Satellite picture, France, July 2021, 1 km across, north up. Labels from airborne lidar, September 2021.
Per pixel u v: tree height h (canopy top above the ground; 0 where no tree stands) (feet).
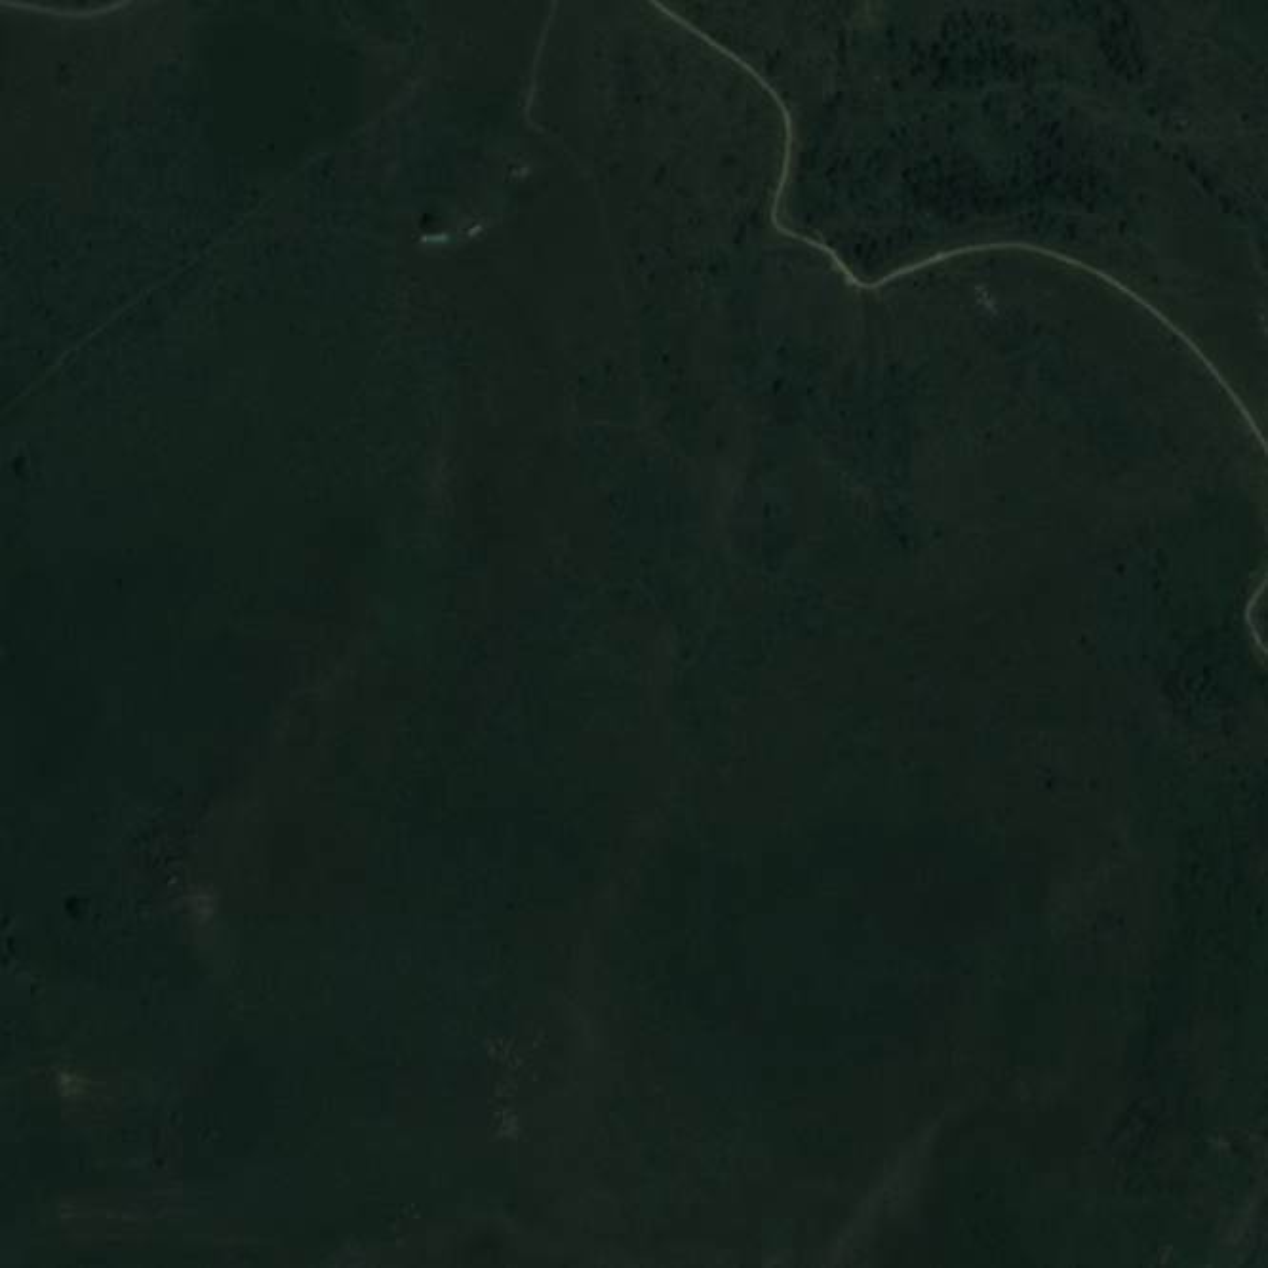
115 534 0
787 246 0
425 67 0
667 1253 0
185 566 0
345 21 0
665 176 20
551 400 0
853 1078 0
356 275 0
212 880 0
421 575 0
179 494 0
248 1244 0
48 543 0
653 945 0
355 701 0
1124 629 0
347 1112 0
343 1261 0
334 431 0
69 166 0
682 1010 0
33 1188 0
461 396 0
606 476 0
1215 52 0
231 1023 0
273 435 0
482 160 0
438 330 0
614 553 0
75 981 0
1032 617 0
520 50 0
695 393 0
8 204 0
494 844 0
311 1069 0
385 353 0
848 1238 0
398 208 0
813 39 0
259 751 0
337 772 0
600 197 0
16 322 0
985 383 0
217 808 0
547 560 0
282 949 0
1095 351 0
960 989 0
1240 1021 0
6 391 0
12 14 0
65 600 0
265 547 0
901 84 40
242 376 0
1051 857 0
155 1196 0
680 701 0
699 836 0
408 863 0
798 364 0
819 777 0
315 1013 0
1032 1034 0
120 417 0
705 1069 0
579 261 0
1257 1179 0
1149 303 0
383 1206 0
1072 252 0
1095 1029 0
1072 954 0
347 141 0
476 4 0
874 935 0
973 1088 0
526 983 0
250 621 0
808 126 0
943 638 0
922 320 0
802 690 0
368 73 0
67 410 0
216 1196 0
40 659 0
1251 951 0
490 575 0
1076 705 0
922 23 0
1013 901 0
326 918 0
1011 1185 0
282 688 0
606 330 0
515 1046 0
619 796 0
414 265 0
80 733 0
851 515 0
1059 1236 0
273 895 0
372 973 0
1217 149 0
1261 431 0
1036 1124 0
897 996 0
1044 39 0
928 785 0
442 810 0
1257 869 0
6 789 0
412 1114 0
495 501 0
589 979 0
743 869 0
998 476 0
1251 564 0
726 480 0
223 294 0
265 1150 0
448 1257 0
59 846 0
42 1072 0
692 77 0
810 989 0
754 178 0
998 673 0
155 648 0
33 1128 0
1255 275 0
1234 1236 0
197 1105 0
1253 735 0
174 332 0
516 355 0
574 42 0
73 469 0
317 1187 0
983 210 30
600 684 0
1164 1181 0
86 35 0
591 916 0
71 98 0
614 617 0
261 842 0
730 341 0
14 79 0
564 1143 0
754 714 0
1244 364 0
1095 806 0
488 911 0
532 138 0
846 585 0
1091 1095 0
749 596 0
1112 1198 0
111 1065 0
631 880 0
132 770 0
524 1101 0
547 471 0
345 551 0
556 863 0
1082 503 0
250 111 0
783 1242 0
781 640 0
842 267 0
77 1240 0
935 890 0
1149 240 0
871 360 0
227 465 0
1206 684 34
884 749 0
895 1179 0
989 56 31
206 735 0
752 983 0
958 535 0
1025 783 0
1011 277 0
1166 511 0
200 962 0
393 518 0
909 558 0
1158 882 0
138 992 0
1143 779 0
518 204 0
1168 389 0
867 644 0
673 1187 0
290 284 0
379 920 0
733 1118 0
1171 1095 0
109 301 0
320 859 0
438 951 0
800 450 0
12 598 0
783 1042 0
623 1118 0
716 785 0
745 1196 0
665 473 0
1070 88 0
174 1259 0
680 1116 0
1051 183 39
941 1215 0
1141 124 0
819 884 0
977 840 0
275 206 0
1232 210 36
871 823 0
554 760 0
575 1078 0
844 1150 0
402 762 0
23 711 0
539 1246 0
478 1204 0
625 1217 0
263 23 0
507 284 0
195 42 0
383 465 0
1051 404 0
